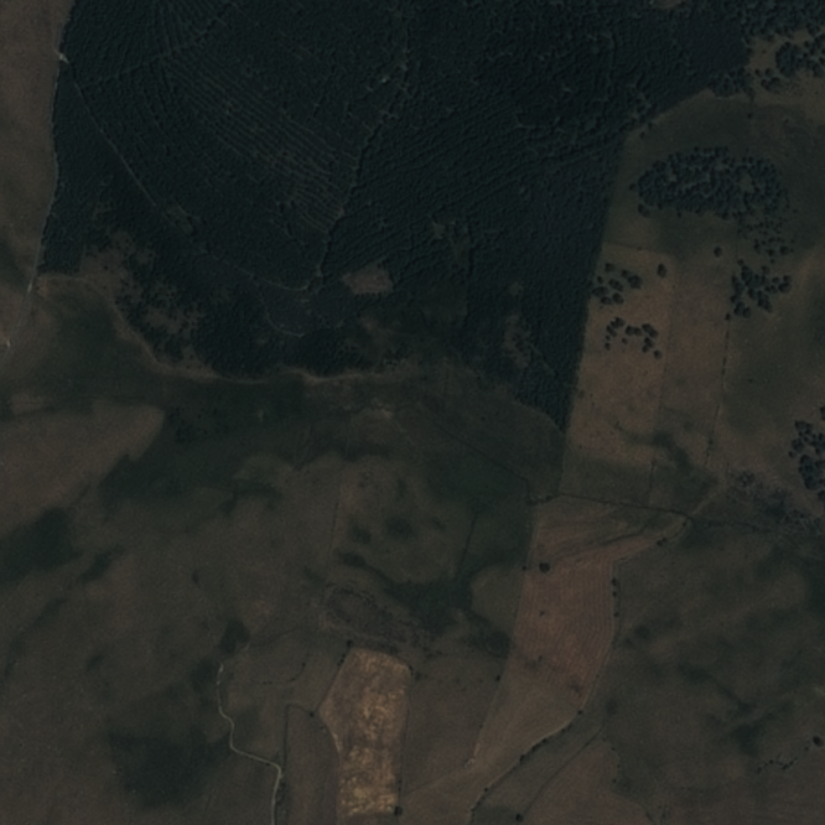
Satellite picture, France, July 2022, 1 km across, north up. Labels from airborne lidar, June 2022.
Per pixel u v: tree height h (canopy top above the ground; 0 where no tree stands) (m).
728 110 0
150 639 0
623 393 0
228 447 0
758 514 0
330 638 0
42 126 0
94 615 0
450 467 0
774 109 0
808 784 0
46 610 0
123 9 13
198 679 0
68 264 10
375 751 0
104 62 14
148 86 12
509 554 0
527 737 0
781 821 0
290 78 15
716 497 0
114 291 0
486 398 0
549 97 13
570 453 0
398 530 0
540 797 0
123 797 0
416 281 12
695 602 0
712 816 0
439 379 0
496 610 0
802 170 0
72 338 0
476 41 17
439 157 16
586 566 0
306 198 7
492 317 7
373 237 17
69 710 0
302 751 0
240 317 7
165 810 0
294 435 0
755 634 0
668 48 14
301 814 0
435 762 0
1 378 0
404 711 0
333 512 0
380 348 0
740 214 11
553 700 0
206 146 15
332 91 16
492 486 0
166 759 0
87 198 12
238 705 0
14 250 0
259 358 6
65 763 0
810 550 0
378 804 0
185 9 8
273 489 0
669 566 0
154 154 14
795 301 0
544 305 8
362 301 11
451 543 0
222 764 0
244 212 14
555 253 13
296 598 0
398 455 0
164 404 0
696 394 0
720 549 0
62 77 8
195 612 0
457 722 0
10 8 0
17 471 0
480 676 0
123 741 0
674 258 0
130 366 0
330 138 12
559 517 0
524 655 0
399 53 13
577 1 14
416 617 0
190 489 0
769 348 0
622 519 0
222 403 0
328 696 0
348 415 0
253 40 14
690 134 0
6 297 0
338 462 0
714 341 0
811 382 0
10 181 0
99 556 0
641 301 0
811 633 0
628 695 0
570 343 10
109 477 0
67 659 0
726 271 0
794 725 0
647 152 0
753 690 0
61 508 0
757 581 0
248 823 0
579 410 0
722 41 11
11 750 0
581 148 10
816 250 0
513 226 13
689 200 16
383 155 17
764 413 0
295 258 14
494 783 0
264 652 0
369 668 0
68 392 0
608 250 0
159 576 0
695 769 0
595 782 0
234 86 8
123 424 0
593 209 10
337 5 17
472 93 15
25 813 0
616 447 0
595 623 0
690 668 0
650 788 0
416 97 14
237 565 0
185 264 8
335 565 0
